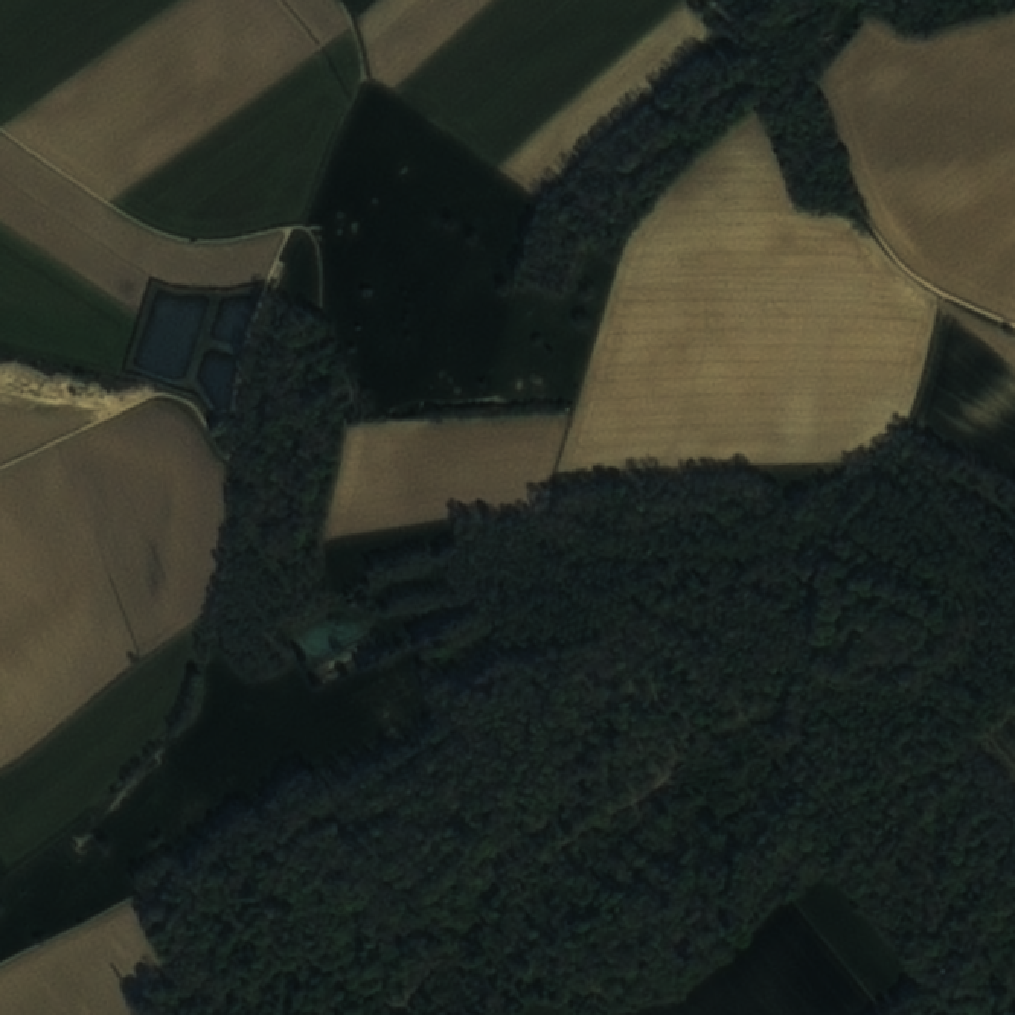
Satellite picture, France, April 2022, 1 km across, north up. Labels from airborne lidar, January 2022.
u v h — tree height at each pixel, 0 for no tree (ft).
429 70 0
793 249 0
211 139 0
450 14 0
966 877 72
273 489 89
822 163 81
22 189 0
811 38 87
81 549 0
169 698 0
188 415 0
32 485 0
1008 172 0
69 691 0
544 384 0
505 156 0
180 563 0
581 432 0
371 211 0
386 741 0
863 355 0
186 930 114
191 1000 65
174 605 0
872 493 106
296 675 0
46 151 0
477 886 116
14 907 0
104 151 0
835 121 74
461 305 0
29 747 0
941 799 85
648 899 109
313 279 0
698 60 79
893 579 125
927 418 0
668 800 35
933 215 0
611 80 0
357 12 0
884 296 0
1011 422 0
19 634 0
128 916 0
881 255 0
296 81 0
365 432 0
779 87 102
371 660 77
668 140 95
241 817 97
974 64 0
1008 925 67
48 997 0
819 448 0
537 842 97
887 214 0
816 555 64
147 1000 107
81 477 0
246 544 89
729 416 0
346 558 0
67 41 0
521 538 69
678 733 97
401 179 0
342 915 122
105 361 0
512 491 0
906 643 121
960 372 0
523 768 128
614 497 105
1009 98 0
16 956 0
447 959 39
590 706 107
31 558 0
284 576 83
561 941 103
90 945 0
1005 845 103
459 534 51
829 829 91
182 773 0
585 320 51
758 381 0
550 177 0
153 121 0
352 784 107
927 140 0
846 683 65
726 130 67
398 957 29
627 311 0
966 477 42
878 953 0
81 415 0
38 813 0
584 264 50
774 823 88
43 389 0
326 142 0
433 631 88
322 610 87
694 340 0
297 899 69
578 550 85
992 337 0
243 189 0
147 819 0
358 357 0
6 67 0
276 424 95
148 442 0
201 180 0
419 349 0
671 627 91
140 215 0
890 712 66
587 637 101
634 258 0
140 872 64
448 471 0
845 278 0
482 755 114
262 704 0
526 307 0
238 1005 105
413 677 0
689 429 0
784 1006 0
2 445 0
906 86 0
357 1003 93
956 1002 99
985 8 59
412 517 0
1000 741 0
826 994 0
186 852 0
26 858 0
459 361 0
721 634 71
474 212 0
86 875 0
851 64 0
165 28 0
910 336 0
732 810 21
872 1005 0
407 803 125
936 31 63
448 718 104
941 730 95
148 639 0
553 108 0
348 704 0
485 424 0
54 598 0
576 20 0
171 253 0
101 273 0
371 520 0
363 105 0
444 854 101
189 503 0
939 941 76
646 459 0
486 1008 73
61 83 0
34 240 0
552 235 79
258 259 0
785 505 86
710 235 0
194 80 0
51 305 0
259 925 90
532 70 0
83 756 0
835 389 0
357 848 141
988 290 0
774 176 0
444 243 0
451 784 126
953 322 0
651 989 55
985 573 67
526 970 95
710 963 74
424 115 0
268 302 111
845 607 95
